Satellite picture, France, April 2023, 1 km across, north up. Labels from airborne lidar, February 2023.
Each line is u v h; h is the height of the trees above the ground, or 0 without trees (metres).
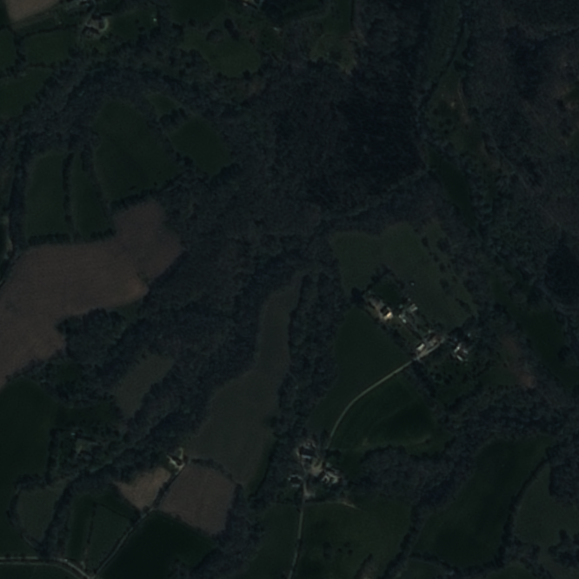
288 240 13
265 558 0
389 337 7
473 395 13
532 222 22
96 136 10
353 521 0
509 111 20
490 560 0
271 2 29
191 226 15
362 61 17
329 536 0
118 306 0
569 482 19
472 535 0
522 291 17
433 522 0
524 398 21
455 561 0
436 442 0
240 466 0
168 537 0
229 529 16
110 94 25
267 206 20
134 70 21
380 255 0
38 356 0
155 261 0
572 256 21
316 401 9
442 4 43
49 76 0
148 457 11
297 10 0
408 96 18
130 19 0
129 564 0
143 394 0
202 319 29
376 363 0
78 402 15
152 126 16
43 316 0
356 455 0
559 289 28
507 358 0
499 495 0
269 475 8
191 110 20
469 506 0
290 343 10
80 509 0
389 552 0
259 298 20
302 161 18
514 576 0
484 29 18
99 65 10
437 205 24
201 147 0
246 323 22
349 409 0
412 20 27
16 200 17
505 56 18
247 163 25
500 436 11
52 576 0
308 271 18
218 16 0
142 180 0
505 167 13
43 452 0
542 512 0
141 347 25
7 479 0
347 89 19
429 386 14
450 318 0
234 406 0
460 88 0
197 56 15
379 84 21
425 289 0
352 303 12
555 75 15
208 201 17
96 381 29
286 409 17
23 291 0
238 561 25
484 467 0
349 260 0
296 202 16
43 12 0
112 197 0
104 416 0
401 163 18
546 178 21
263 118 22
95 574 9
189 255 16
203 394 26
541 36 17
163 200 14
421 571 0
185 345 21
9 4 0
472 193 9
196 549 0
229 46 0
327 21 0
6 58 0
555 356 0
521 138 13
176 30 14
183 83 12
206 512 0
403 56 25
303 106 17
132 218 0
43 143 27
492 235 9
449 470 21
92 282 0
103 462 16
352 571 0
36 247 15
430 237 0
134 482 0
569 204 15
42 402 0
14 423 0
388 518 0
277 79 22
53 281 0
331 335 17
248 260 23
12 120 7
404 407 0
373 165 19
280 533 0
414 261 0
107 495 0
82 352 28
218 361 29
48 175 0
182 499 0
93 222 0
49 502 0
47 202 0
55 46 0
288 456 9
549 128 16
